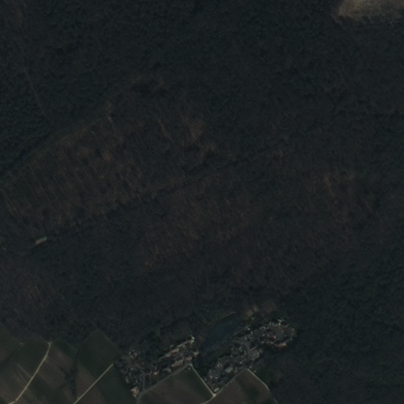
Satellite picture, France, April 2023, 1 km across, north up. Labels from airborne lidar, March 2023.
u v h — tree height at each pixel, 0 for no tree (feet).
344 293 83
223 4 72
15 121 74
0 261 80
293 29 94
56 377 0
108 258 89
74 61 80
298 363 98
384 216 90
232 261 81
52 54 89
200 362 32
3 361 0
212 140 72
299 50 77
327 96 71
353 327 96
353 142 79
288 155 78
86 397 0
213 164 63
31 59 68
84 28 89
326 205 49
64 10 74
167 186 65
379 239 97
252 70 74
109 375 0
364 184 0
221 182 68
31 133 73
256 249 85
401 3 0
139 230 76
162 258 51
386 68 48
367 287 84
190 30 66
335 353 89
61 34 79
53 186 0
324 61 63
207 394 0
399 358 94
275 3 89
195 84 69
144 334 48
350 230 74
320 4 47
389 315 91
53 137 80
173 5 74
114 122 81
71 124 89
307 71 89
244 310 100
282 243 88
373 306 75
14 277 75
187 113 70
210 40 74
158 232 82
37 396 0
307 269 100
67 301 97
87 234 81
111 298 84
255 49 77
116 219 71
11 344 0
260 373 0
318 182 83
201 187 62
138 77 75
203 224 68
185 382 0
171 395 0
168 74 87
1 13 69
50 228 81
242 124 39
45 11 71
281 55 90
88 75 80
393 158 94
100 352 0
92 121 74
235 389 0
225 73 75
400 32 70
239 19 83
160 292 89
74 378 0
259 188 65
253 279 84
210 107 71
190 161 65
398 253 63
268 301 101
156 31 62
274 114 68
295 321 70
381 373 77
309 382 86
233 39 88
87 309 84
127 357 0
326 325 74
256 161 62
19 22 103
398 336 88
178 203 63
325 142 73
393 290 62
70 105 65
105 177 0
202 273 82
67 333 24
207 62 67
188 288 95
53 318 95
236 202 67
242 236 82
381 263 90
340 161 92
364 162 86
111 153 0
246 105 57
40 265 76
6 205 85
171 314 69
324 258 94
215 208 82
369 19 0
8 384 0
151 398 0
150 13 90
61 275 86
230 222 64
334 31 89
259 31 72
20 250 85
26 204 0
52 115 81
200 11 87
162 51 74
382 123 74
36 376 0
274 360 75
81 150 0
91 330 67
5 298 83
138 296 91
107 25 61
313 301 88
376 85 75
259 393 0
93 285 78
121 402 0
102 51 81
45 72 88
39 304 101
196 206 62
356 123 97
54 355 0
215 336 0
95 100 79
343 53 90
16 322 87
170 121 76
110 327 47
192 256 74
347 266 89
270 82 78
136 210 74
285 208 75
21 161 56
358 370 83
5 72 56
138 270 75
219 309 54
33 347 0
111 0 75
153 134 79
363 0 0
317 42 91
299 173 50
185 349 0
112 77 82
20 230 93
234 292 52
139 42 78
